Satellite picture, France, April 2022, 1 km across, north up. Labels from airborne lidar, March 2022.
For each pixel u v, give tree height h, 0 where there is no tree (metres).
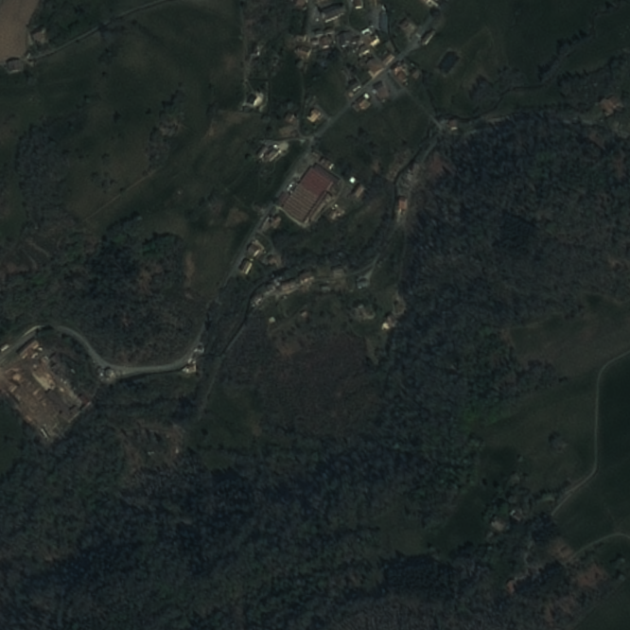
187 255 18
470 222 23
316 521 27
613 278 18
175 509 17
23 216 0
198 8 0
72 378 10
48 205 12
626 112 8
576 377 0
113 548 26
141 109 0
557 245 18
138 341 17
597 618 0
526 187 14
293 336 10
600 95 9
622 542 0
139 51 0
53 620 29
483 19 0
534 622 15
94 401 7
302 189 0
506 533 9
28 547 23
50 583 7
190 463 19
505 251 27
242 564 23
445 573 29
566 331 0
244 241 0
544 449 0
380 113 0
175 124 12
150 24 0
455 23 0
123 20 6
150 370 0
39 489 23
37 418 0
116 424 6
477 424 0
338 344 0
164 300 21
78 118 0
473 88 0
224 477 0
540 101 0
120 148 0
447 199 20
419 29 0
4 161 0
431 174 0
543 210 16
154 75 0
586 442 0
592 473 0
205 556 24
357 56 0
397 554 0
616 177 7
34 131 13
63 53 0
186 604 17
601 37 0
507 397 10
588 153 16
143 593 23
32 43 0
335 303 0
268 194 0
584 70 0
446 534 0
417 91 0
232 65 0
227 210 0
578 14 0
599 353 0
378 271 0
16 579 33
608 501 0
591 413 0
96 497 18
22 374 0
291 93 0
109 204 0
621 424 0
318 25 0
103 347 12
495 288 11
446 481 6
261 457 25
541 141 27
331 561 16
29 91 0
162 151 20
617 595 0
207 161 0
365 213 0
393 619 23
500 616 27
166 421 12
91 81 0
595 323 0
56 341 0
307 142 0
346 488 30
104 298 25
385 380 9
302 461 27
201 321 0
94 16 0
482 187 14
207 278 0
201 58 0
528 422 0
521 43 0
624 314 0
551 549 15
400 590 24
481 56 0
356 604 24
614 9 20
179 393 0
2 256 22
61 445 20
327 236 0
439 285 16
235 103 0
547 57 0
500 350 16
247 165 0
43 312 18
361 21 0
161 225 0
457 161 14
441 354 19
